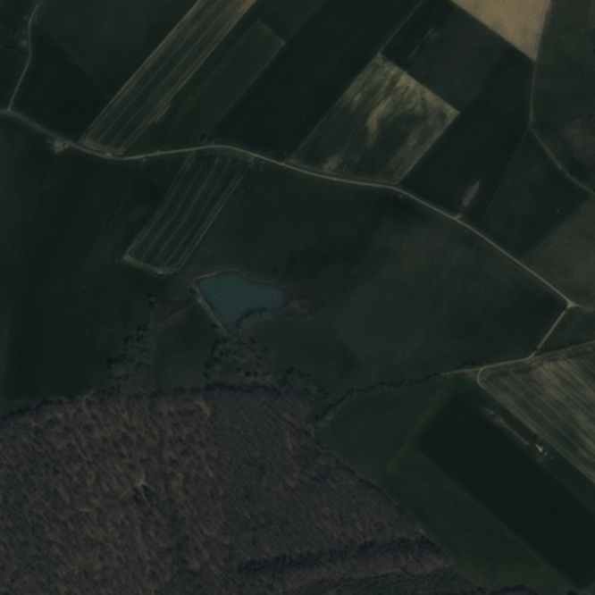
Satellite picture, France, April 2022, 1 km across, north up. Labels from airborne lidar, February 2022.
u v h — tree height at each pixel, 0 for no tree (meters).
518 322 0
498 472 0
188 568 26
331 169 0
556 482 0
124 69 0
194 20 0
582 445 0
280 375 0
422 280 0
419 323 0
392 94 0
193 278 0
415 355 0
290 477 26
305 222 0
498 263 0
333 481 31
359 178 0
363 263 0
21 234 0
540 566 0
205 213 0
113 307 0
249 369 0
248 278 0
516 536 0
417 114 0
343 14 0
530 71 0
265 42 0
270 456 29
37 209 0
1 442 30
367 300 0
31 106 0
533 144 0
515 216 0
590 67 0
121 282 0
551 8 0
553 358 0
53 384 0
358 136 0
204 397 22
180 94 0
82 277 0
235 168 0
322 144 0
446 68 0
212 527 27
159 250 0
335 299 0
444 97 0
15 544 27
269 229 0
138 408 27
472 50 0
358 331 0
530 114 0
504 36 0
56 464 25
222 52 0
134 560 19
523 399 0
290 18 0
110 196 0
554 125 0
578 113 0
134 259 0
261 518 28
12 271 0
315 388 21
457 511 0
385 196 0
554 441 0
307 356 0
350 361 0
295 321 0
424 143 0
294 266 0
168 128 0
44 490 27
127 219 0
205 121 0
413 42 0
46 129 0
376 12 0
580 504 0
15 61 0
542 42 0
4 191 0
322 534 30
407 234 0
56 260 0
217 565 22
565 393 0
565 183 0
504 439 0
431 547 21
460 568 0
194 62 0
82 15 0
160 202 0
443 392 0
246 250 0
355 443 0
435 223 0
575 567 0
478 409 0
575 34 0
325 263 0
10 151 0
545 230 0
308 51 0
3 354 0
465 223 0
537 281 0
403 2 0
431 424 0
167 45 0
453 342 0
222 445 26
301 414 31
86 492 29
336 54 0
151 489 17
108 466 26
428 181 0
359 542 14
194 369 0
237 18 0
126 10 0
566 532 0
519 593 18
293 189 0
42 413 17
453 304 0
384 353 0
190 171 0
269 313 17
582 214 0
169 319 0
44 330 0
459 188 0
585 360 0
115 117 0
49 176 0
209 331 0
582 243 0
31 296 0
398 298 0
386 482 0
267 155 0
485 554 0
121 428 18
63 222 0
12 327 0
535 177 0
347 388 0
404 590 7
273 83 0
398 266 0
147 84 0
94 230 0
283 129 0
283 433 32
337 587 7
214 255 0
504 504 0
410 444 0
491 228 0
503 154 0
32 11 0
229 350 18
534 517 0
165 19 0
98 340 0
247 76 0
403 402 0
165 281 0
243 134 0
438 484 0
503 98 0
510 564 0
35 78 0
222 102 0
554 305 0
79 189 0
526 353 0
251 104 0
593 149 0
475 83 0
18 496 26
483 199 0
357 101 0
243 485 27
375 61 0
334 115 0
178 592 28
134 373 18
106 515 23
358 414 0
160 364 0
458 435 0
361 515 29
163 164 0
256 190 0
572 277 0
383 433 0
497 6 0
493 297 0
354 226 0
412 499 0
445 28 0
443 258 0
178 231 0
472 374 0
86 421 27
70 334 0
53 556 24
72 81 0
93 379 0
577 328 0
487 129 0
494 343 0
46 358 0
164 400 25
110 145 0
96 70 0
